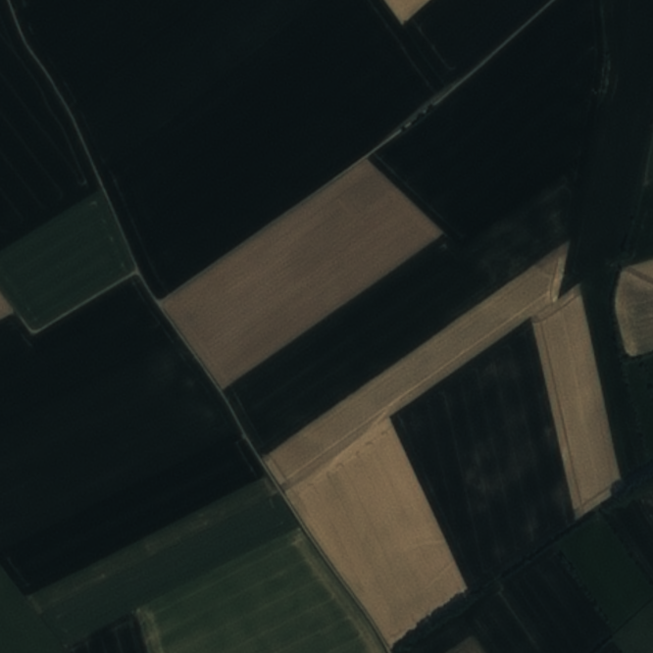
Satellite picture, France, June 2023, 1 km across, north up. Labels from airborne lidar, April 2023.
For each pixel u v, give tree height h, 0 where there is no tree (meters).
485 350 0
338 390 0
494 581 0
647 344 0
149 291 0
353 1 0
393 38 0
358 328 0
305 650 0
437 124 0
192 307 0
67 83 0
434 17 0
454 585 0
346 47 0
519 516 0
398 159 0
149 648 0
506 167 0
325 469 0
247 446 0
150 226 0
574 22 0
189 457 0
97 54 0
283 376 0
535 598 0
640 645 0
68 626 0
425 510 0
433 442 0
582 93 0
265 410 0
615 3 0
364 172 0
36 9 0
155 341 0
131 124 0
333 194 0
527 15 0
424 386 0
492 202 0
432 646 0
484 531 0
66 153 0
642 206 0
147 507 0
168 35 0
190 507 0
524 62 0
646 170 0
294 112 0
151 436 0
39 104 0
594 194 0
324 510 0
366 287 0
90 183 0
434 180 0
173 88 0
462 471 0
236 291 0
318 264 0
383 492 0
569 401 0
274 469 0
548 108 0
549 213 0
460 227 0
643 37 0
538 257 0
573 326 0
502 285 0
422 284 0
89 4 0
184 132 0
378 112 0
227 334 0
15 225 0
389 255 0
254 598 0
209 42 0
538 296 0
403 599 0
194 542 0
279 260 0
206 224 0
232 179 0
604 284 0
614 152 0
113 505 0
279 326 0
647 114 0
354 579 0
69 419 0
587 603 0
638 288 0
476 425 0
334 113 0
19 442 0
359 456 0
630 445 0
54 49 0
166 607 0
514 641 0
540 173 0
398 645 11
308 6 0
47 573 0
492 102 0
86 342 0
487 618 0
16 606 0
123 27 0
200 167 0
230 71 0
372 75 0
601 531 0
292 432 0
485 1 0
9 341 0
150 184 0
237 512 0
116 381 0
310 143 0
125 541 0
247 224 0
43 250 0
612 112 0
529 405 0
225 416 0
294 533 0
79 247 0
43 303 0
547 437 0
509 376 0
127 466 0
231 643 0
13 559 0
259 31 0
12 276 0
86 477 0
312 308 0
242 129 0
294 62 0
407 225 0
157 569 0
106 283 0
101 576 0
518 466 0
